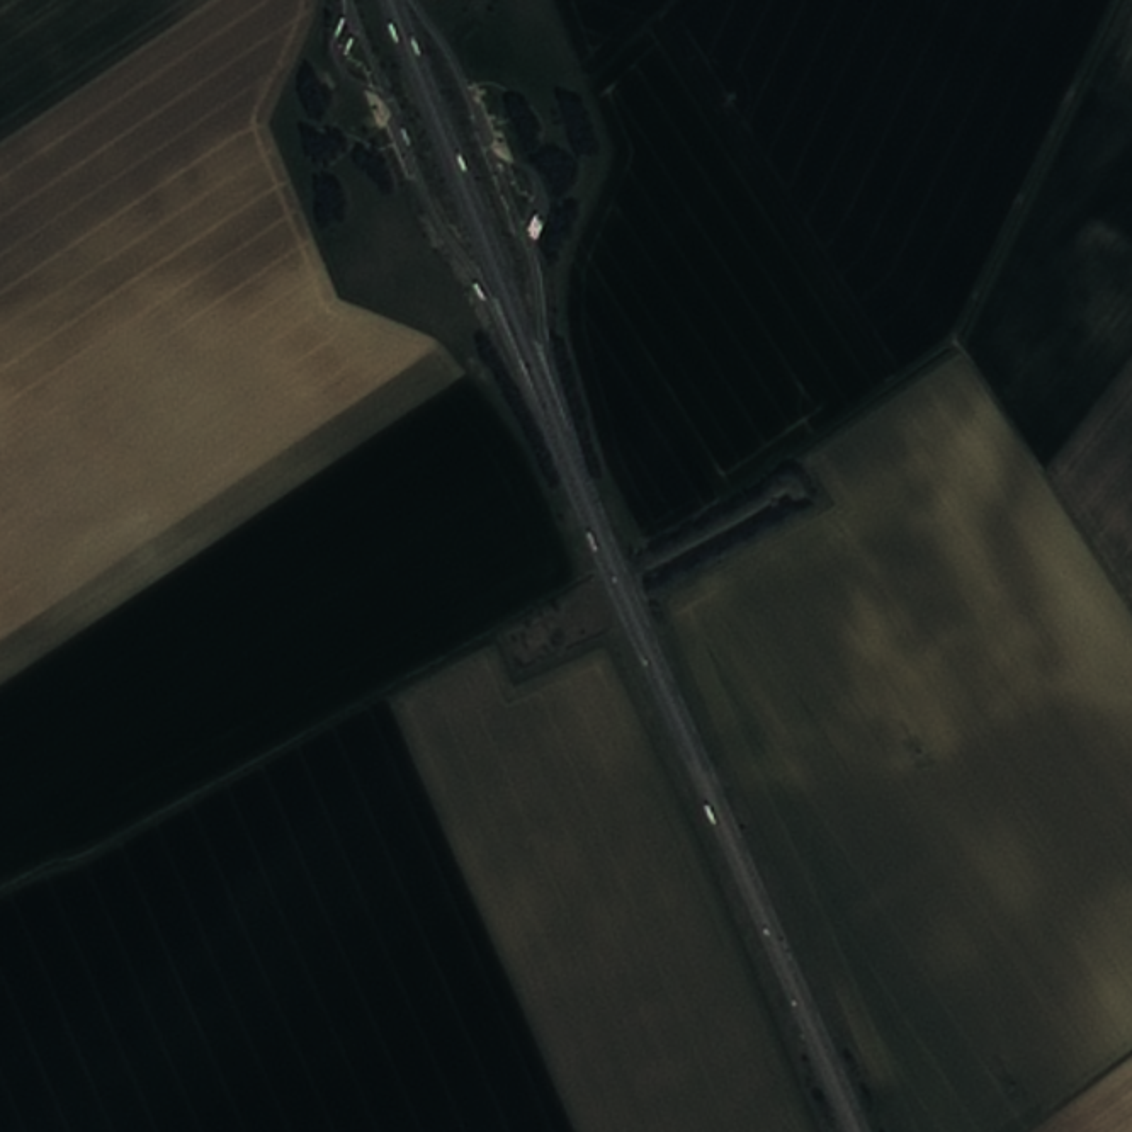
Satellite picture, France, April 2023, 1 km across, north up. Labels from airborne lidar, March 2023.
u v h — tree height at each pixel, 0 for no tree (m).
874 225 0
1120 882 0
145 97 0
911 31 0
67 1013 0
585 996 0
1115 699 0
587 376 0
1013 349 0
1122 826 0
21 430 0
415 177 0
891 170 0
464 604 0
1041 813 0
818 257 0
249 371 0
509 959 0
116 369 0
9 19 0
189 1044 0
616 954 0
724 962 0
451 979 0
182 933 0
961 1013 0
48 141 0
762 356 0
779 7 0
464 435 0
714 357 0
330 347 0
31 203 0
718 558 9
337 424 0
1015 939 0
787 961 0
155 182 0
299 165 0
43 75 0
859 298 0
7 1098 0
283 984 0
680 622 0
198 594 0
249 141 0
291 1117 0
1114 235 0
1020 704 0
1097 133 0
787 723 0
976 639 0
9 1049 0
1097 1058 0
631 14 0
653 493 0
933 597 0
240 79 0
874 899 0
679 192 0
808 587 0
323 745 0
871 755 0
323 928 0
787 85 0
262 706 0
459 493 0
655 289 0
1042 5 0
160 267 0
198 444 0
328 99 12
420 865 0
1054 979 0
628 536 0
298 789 0
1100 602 0
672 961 0
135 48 0
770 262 0
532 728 0
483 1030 0
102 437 0
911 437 0
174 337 0
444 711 0
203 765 0
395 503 0
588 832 0
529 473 0
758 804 0
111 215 0
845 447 0
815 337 0
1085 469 0
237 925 0
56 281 0
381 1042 0
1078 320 0
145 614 0
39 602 0
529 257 0
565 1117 0
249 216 0
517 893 0
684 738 0
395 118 0
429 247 0
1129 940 0
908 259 0
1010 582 0
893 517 0
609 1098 0
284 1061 0
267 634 0
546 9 0
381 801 0
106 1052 0
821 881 0
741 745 0
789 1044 0
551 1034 0
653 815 0
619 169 0
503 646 0
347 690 0
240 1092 0
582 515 0
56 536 0
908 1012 0
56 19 0
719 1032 0
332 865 0
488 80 0
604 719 0
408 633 0
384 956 0
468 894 0
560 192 9
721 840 0
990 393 0
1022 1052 0
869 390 0
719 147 0
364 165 9
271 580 0
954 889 0
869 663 0
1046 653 0
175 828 0
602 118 0
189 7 0
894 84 0
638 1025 0
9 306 0
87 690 0
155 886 0
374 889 0
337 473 0
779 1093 0
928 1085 0
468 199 0
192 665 0
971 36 0
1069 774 0
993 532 0
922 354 0
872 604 0
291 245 0
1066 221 0
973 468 0
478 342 7
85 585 0
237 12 0
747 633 0
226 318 0
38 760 0
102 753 0
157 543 0
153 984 0
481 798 0
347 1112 0
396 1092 0
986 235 0
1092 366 0
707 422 0
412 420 0
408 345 0
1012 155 0
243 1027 0
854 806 0
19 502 0
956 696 0
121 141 0
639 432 0
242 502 0
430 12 0
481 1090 0
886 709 0
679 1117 0
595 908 0
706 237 0
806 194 0
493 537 0
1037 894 0
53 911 0
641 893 0
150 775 0
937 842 0
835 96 0
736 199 0
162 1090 0
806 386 0
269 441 0
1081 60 0
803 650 0
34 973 0
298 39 0
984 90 0
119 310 0
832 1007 0
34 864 0
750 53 0
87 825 0
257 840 0
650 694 0
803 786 0
